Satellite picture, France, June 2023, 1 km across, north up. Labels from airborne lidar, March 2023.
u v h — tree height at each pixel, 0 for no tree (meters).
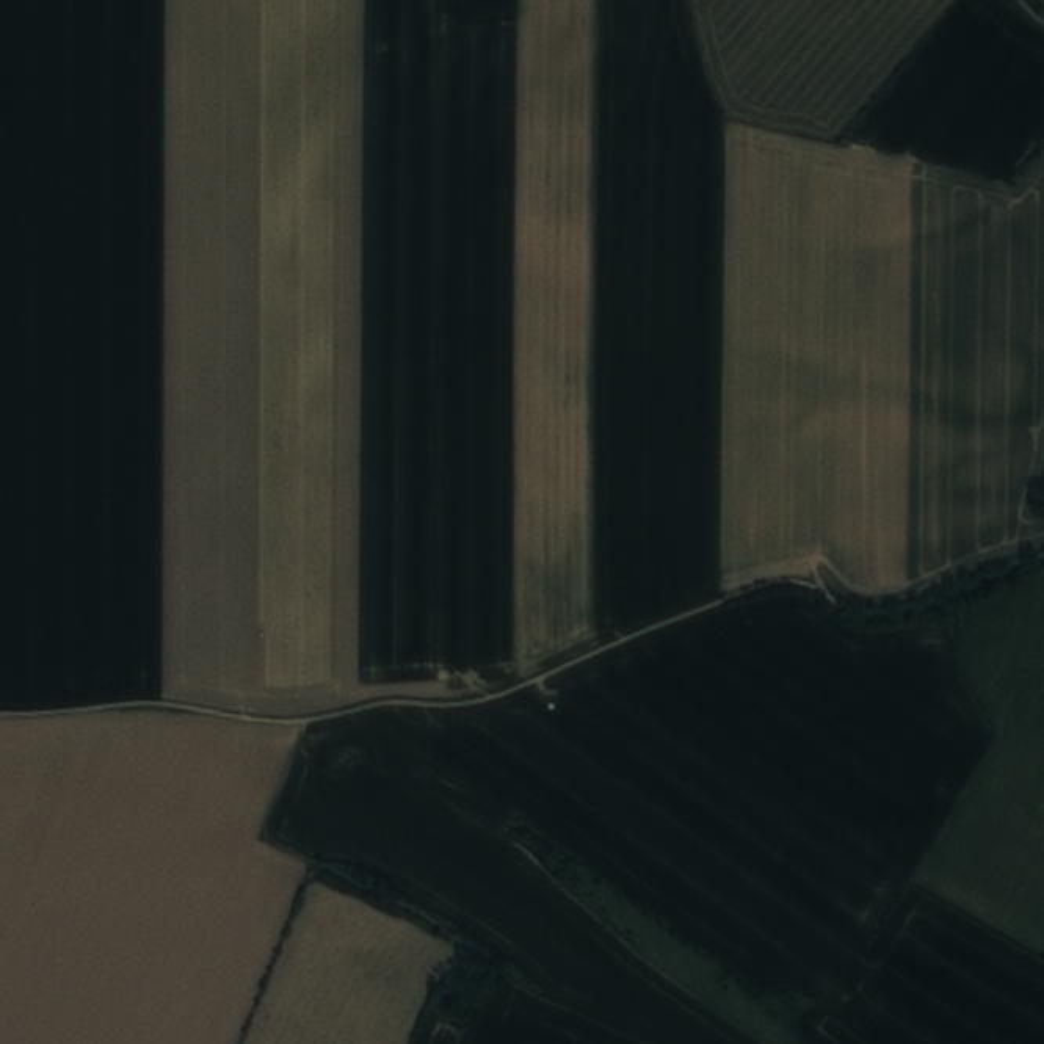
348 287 0
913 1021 0
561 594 0
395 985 0
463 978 28
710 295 0
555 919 0
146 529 0
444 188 0
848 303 0
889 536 0
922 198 0
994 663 0
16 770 0
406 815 0
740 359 0
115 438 0
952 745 0
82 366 0
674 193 0
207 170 0
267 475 0
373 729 0
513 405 0
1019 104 0
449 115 0
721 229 0
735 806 0
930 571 0
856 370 0
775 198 0
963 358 0
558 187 0
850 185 0
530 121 0
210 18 0
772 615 0
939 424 0
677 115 0
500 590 0
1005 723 0
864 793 0
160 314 0
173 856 0
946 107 0
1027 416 0
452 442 0
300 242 0
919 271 0
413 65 0
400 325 0
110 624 0
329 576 0
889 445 0
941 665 0
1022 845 0
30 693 0
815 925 0
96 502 0
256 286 0
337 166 0
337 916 0
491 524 0
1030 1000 0
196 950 0
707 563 0
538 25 0
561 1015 0
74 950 0
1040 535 0
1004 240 0
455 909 0
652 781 0
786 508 0
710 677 0
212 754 0
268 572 0
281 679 0
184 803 0
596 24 0
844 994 0
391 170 0
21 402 0
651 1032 0
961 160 0
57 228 0
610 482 0
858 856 0
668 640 0
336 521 0
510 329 0
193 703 0
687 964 0
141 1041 0
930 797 0
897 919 0
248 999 0
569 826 0
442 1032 0
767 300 0
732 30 0
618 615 0
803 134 0
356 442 0
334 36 0
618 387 0
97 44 0
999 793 0
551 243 0
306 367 0
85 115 0
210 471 0
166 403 0
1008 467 0
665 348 0
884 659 0
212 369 0
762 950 0
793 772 0
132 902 0
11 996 0
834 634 0
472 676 0
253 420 0
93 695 0
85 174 0
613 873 0
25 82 0
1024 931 0
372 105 0
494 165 0
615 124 0
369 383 0
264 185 0
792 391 0
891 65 0
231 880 0
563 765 0
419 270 0
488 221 0
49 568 0
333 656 0
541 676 0
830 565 0
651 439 0
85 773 0
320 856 11
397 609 0
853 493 0
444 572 0
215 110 0
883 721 0
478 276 0
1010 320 0
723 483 0
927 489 0
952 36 0
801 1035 0
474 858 0
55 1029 0
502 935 0
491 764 0
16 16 0
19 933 0
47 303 0
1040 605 0
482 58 0
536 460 0
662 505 0
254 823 0
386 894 15
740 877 0
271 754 0
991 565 10
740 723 0
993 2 0
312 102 0
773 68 0
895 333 0
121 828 0
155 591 0
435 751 0
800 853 0
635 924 0
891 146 0
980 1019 0
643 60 0
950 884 0
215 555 0
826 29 0
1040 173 0
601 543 0
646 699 0
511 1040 0
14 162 0
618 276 0
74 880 0
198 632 0
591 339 0
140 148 0
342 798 0
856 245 0
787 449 0
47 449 0
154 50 0
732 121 0
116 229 0
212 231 0
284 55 0
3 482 0
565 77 0
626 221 0
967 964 0
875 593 0
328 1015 0
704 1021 0
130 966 0
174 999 0
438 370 0
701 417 0
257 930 0
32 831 0
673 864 0
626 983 0
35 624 0
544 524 0
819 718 0
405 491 0
